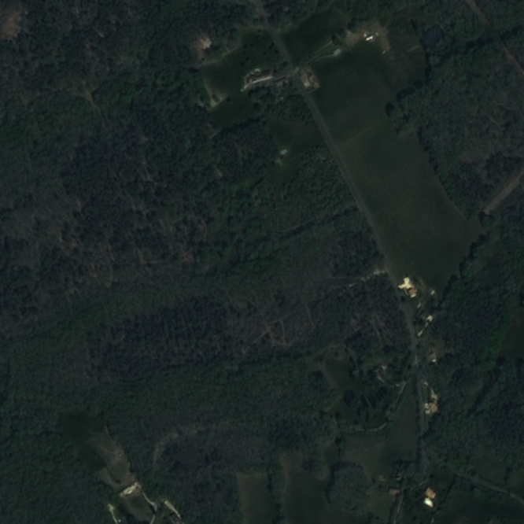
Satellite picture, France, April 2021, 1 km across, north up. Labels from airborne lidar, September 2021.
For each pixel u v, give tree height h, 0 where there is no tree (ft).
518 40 90
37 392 78
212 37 70
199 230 63
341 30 0
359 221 73
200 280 85
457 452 75
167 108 73
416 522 33
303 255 59
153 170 72
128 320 31
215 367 72
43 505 70
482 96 52
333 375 0
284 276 71
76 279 73
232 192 60
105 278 59
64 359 53
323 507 0
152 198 73
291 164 0
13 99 65
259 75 0
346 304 41
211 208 47
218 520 63
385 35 0
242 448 55
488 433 66
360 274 55
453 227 0
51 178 49
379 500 0
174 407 71
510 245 91
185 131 66
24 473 74
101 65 34
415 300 0
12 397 81
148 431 54
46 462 43
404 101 83
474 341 77
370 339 45
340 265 45
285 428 77
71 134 71
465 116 53
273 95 32
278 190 19
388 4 60
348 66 0
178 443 30
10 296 66
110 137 54
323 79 0
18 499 71
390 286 27
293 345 21
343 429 63
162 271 43
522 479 0
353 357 0
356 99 0
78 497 55
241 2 51
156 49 75
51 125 87
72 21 51
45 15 70
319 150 30
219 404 72
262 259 80
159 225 43
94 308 80
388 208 0
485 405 82
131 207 35
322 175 24
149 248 66
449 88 75
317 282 32
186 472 63
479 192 67
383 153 0
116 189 65
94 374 46
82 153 36
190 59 71
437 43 34
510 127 56
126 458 42
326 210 35
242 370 82
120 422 70
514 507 0
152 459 45
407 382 40
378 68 0
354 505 69
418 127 61
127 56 56
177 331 54
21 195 64
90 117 94
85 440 0
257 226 72
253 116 0
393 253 0
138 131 49
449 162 57
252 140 73
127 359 28
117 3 72
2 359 68
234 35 57
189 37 67
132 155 71
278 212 36
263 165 68
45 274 72
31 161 58
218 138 0
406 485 37
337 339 39
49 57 63
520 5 69
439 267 0
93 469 0
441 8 70
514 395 87
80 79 62
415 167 0
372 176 0
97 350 41
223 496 74
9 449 53
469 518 0
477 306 76
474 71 85
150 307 63
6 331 50
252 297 73
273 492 64
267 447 57
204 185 79
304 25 0
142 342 57
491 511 0
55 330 85
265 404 68
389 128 0
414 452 0
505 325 89
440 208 0
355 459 0
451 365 79
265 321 26
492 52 91
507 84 66
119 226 72
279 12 53
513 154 56
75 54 74
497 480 0
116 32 40
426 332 41
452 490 35
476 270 74
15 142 85
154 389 91
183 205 28
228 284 87
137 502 0
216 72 0
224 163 71
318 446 58
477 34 64
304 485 0
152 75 68
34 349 105
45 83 75
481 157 51
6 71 47
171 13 84
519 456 57
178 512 25
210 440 52
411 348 39
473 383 90
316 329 25
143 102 78
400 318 28
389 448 0
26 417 89
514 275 31
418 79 0
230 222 76
